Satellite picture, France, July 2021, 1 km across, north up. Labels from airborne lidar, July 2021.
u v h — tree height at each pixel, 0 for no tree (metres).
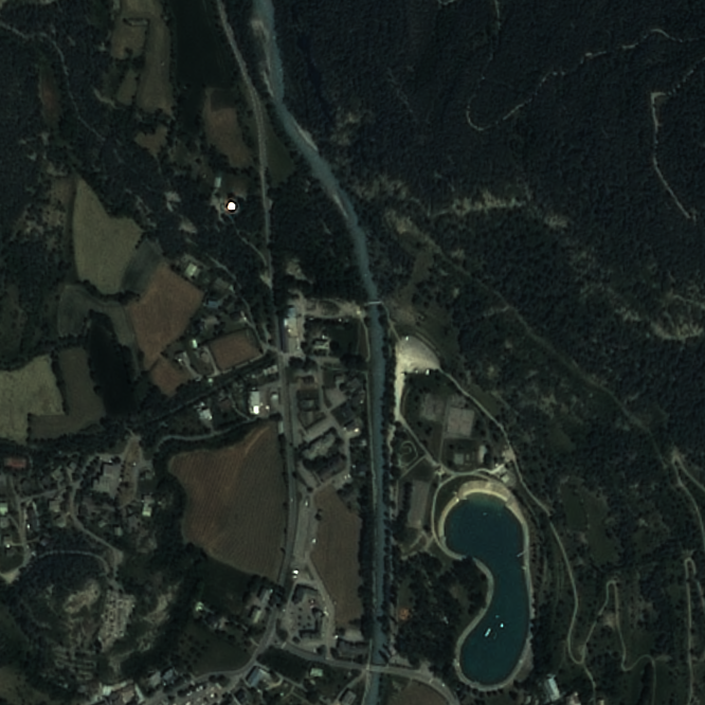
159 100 0
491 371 0
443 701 0
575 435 8
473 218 7
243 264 9
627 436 10
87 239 0
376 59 9
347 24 7
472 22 8
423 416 0
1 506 0
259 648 0
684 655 8
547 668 9
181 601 10
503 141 9
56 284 8
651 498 8
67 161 12
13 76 11
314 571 0
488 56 9
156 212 9
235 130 0
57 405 0
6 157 9
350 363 22
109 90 0
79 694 10
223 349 0
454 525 0
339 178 7
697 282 6
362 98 7
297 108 8
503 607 0
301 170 15
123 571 7
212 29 0
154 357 0
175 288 0
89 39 16
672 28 11
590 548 6
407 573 12
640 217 12
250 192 6
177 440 8
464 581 19
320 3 13
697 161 12
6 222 6
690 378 17
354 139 11
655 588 11
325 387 6
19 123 11
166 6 7
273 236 10
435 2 10
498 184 7
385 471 7
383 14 12
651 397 10
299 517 0
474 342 14
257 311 15
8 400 0
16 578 0
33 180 9
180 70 0
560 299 12
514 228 9
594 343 10
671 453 0
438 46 10
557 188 10
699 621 9
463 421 0
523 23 9
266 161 0
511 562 0
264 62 0
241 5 15
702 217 7
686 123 10
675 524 7
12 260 7
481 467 0
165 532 7
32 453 10
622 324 8
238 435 12
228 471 0
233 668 0
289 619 0
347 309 0
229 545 0
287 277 16
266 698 13
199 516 0
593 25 7
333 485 0
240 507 0
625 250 8
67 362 0
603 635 5
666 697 0
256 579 12
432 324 0
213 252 13
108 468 0
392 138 7
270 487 0
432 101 10
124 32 0
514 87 9
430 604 19
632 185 11
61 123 12
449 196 7
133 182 12
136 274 0
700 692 7
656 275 8
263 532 0
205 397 10
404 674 0
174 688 8
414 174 7
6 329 0
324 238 13
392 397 11
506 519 0
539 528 6
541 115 10
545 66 9
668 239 8
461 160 6
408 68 6
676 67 11
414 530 0
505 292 14
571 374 8
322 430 0
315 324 11
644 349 11
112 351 0
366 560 20
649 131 11
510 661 0
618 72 9
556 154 9
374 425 0
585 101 10
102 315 10
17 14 12
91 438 9
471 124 8
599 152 12
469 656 0
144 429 10
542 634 17
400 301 0
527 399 0
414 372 0
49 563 8
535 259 7
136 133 9
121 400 0
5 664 10
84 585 0
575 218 7
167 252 9
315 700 12
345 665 0
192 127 0
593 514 0
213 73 0
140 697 0
